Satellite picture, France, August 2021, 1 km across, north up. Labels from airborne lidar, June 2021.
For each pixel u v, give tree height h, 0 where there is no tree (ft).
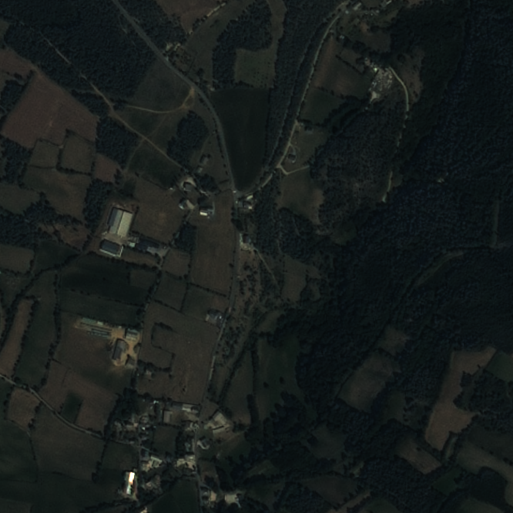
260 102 0
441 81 51
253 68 0
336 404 65
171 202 0
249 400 47
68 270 0
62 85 46
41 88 0
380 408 70
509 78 69
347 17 0
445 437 0
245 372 0
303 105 33
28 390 29
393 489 55
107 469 0
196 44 0
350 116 46
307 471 32
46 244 0
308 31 36
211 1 0
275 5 0
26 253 0
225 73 31
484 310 19
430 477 40
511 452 0
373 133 60
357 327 81
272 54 0
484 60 85
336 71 0
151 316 0
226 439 0
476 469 0
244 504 53
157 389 0
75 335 0
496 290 38
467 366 0
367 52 32
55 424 0
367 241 51
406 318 55
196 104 0
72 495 0
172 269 0
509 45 66
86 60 50
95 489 0
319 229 30
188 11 0
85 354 0
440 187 52
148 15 22
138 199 0
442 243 29
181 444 39
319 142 0
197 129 44
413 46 52
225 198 0
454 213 66
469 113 68
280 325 46
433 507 46
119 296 0
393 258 35
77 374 0
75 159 0
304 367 67
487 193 38
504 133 52
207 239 0
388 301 36
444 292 22
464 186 33
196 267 0
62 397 0
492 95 82
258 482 58
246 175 0
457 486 42
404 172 94
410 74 0
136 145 50
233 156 0
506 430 28
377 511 0
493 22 57
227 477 45
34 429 32
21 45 47
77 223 43
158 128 0
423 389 60
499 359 0
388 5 37
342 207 41
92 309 0
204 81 21
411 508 54
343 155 46
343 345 70
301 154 0
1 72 0
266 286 30
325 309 34
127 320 0
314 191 0
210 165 0
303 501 55
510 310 40
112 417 35
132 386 33
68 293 0
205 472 0
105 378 0
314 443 60
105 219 0
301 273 0
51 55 60
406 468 57
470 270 32
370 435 55
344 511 0
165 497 0
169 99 0
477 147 63
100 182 38
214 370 23
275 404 0
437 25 67
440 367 38
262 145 0
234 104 0
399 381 42
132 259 0
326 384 49
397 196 38
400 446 28
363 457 48
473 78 86
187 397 0
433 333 37
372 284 39
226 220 0
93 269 0
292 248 43
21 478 0
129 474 0
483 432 0
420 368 36
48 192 0
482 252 49
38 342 0
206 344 0
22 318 0
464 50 45
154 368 23
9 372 0
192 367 0
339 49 0
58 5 26
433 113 53
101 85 43
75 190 0
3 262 0
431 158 52
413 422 0
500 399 23
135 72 48
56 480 0
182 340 0
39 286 0
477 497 34
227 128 0
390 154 45
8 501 0
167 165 0
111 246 0
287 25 52
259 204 21
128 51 33
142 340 0
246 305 23
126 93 40
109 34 43
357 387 0
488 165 44
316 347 43
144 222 0
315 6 38
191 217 0
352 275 56
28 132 0
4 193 0
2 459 0
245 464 62
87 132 0
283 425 65
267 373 0
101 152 42
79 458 0
